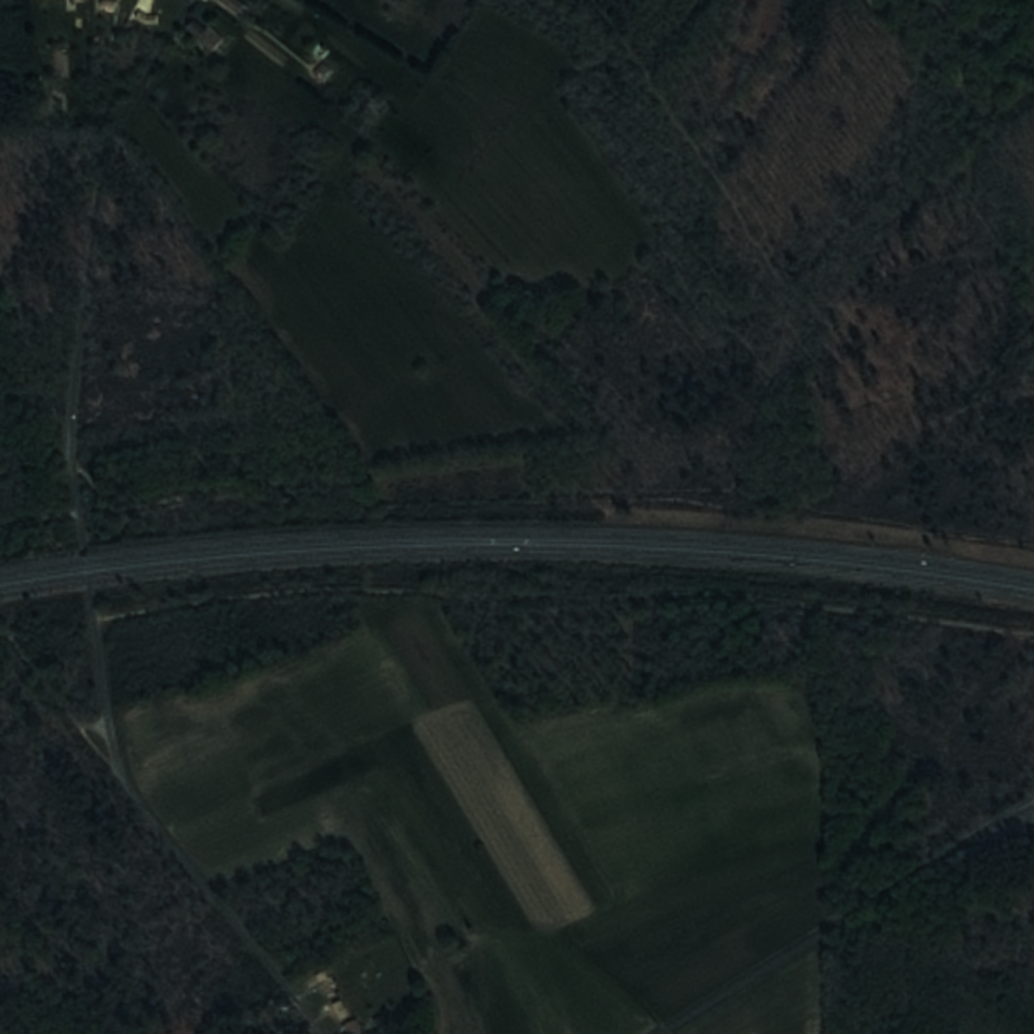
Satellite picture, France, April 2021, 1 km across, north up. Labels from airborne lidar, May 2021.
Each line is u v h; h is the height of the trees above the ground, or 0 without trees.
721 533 0
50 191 15
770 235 14
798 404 20
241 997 12
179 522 11
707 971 0
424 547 0
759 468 20
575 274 0
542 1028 0
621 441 11
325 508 9
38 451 21
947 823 6
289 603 8
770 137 21
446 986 0
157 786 0
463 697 0
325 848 19
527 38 0
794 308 16
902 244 20
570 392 19
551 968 0
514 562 6
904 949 16
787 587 6
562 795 0
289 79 0
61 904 7
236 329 18
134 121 0
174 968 12
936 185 18
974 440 13
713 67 15
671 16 7
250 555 0
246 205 12
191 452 20
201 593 22
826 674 18
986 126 21
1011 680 12
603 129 15
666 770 0
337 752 0
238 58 0
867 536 0
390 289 0
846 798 18
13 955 15
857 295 12
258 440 22
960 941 13
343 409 0
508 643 18
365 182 6
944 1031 17
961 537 8
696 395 18
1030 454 15
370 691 0
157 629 8
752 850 0
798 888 0
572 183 0
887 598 15
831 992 15
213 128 16
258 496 20
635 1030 0
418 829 0
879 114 20
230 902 23
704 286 15
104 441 13
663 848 0
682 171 12
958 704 8
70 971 17
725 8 20
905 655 14
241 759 0
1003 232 13
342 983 0
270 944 22
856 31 18
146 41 10
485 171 0
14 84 8
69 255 28
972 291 18
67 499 9
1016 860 24
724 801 0
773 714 0
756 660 21
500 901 0
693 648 18
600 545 0
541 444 18
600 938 0
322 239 0
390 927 10
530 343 22
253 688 0
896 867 25
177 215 16
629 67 13
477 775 0
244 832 0
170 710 0
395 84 0
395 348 0
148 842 11
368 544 0
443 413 0
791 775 0
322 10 16
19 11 9
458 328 0
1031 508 11
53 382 20
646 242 0
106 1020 21
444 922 0
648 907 0
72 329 19
